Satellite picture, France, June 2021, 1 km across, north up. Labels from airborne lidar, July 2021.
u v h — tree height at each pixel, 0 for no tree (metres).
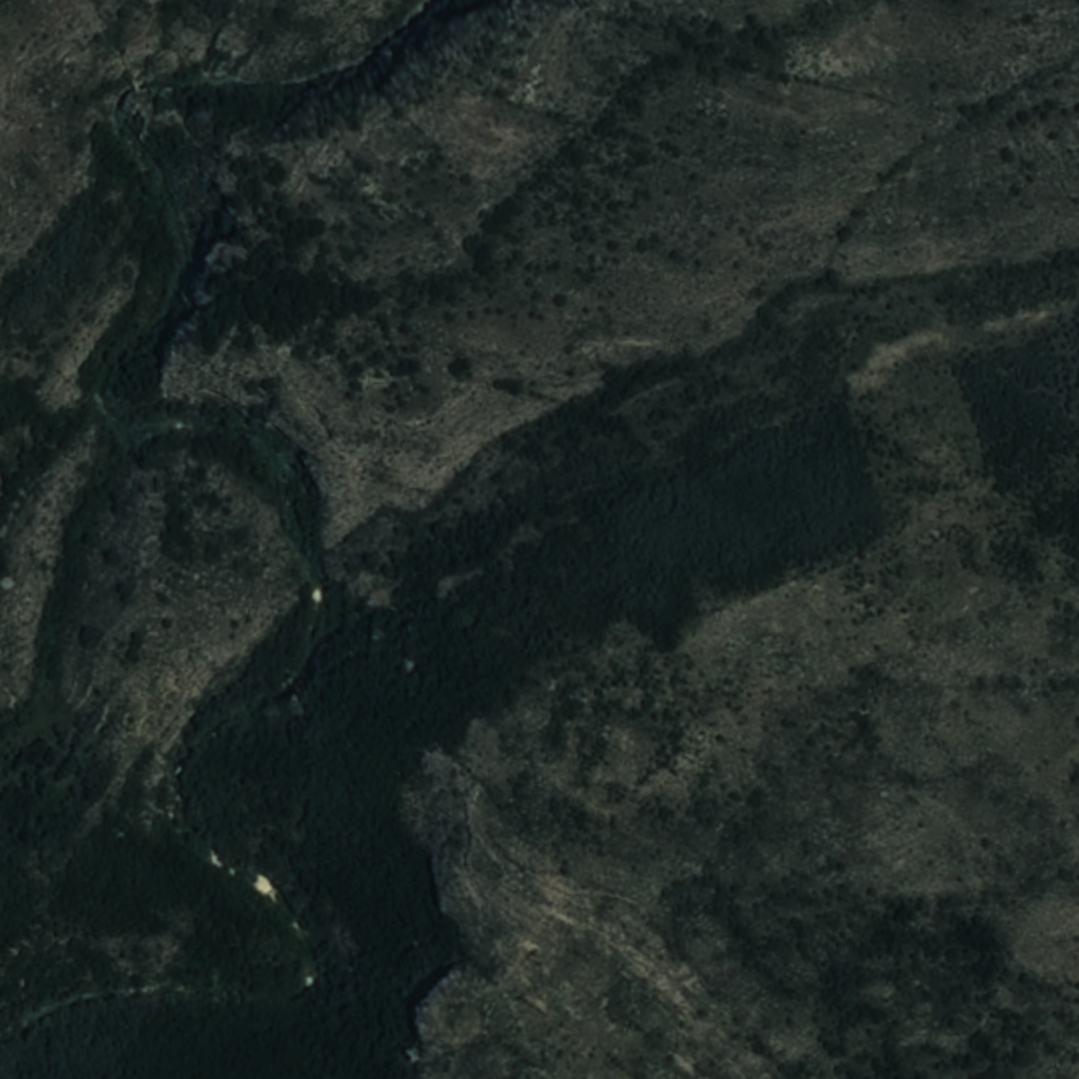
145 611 0
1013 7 0
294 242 8
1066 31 0
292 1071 12
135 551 0
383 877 5
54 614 11
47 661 11
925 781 0
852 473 8
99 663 0
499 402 0
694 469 6
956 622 0
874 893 7
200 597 0
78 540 6
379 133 0
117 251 7
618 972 0
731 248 0
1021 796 0
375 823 9
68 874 9
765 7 0
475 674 9
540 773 0
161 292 8
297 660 6
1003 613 0
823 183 0
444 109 0
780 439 8
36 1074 9
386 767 7
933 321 0
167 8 11
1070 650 0
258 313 11
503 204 8
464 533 7
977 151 0
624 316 0
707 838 0
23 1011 15
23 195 0
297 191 0
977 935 12
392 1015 11
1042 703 0
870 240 0
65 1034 10
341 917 7
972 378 6
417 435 0
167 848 11
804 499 9
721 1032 0
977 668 0
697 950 0
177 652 0
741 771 0
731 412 8
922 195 0
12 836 8
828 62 0
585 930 0
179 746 13
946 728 0
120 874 12
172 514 10
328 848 9
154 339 15
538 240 0
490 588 9
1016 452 7
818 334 7
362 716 7
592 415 9
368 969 9
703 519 7
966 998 7
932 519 0
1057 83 6
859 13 0
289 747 6
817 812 0
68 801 8
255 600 0
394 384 6
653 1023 0
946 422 0
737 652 0
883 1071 8
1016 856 0
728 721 0
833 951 7
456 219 0
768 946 7
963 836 0
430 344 0
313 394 0
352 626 7
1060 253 10
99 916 11
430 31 9
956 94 0
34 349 8
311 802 10
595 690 6
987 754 0
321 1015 9
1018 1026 6
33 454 10
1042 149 0
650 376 9
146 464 12
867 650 0
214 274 7
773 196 0
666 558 9
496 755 0
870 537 7
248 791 9
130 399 13
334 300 7
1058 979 0
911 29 0
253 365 0
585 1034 0
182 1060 7
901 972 8
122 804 9
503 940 0
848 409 9
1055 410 5
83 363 14
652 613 7
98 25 0
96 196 11
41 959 7
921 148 0
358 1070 12
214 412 15
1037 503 8
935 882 0
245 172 7
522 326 0
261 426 7
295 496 6
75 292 7
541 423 6
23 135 0
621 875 0
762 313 8
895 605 0
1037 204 0
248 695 22
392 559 8
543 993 0
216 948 12
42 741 14
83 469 9
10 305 13
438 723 11
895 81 0
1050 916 0
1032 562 7
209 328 8
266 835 7
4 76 0
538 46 0
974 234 0
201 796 12
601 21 0
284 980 8
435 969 10
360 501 0
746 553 9
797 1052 0
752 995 0
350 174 0
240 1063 10
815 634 0
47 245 8
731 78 0
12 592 0
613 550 6
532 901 0
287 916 8
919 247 0
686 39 6
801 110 0
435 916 12
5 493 10
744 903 0
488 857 0
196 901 8
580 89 0
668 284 0
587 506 6
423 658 10
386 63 15
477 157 0
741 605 0
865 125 0
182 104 12
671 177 0
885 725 0
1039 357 5
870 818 0
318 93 10
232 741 11
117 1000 16
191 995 6
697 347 0
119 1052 7
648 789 0
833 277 8
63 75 0
